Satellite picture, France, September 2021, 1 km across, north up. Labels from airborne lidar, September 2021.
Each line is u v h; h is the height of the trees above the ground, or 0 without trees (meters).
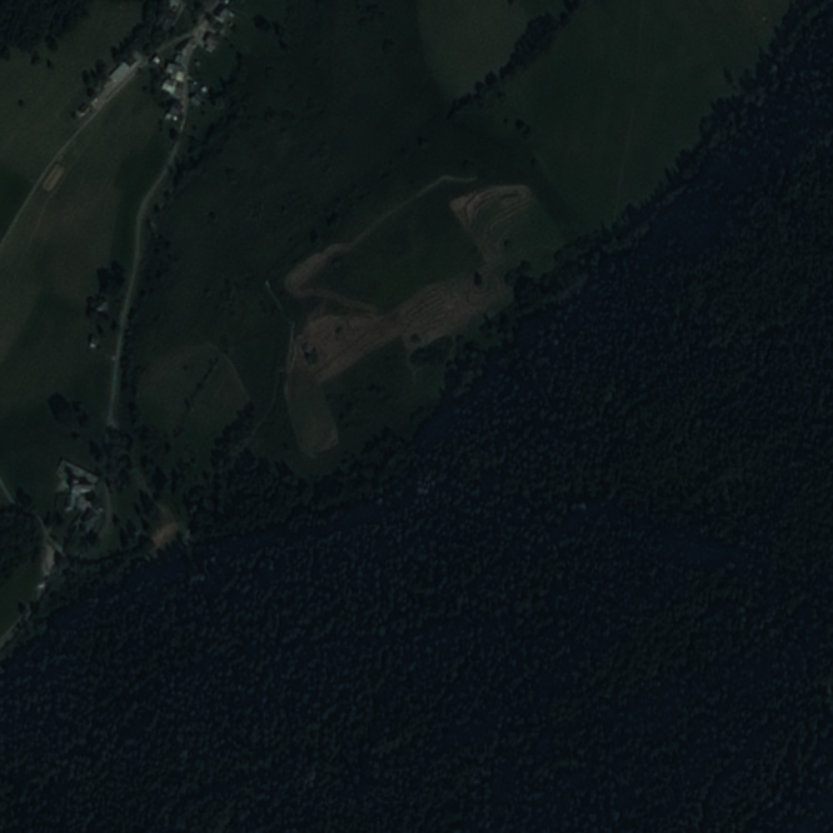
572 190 0
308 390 0
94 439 0
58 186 0
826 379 15
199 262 0
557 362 28
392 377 0
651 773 25
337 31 0
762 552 23
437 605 29
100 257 0
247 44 0
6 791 27
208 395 0
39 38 20
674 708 22
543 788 21
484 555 23
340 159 0
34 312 0
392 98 0
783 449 11
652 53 0
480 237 0
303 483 10
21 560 14
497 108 0
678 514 21
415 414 6
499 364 20
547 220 0
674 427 13
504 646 22
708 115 0
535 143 0
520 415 32
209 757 26
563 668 9
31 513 23
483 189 0
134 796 22
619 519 24
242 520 23
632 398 22
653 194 0
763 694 29
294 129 0
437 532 31
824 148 19
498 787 23
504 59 0
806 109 21
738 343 19
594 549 16
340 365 0
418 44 0
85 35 0
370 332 0
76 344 0
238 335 0
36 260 0
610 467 19
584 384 18
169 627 39
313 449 0
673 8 0
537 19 0
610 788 22
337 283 0
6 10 23
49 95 0
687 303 21
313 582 6
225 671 23
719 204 22
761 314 17
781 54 18
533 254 0
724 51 0
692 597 20
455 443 27
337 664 24
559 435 27
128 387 10
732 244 15
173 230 0
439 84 0
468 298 0
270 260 0
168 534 0
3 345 0
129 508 0
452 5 0
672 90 0
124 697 18
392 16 0
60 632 32
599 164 0
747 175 19
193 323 0
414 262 0
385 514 19
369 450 12
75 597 21
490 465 32
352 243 0
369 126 0
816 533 23
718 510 15
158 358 0
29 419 0
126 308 0
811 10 22
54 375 0
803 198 17
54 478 0
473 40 0
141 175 0
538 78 0
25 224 0
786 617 29
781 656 28
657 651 23
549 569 30
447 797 22
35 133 0
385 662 33
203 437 0
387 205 0
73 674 33
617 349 26
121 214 0
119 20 0
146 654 22
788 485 16
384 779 19
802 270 19
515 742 29
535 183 0
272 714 14
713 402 16
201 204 0
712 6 0
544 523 7
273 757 17
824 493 20
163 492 26
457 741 24
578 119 0
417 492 31
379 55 0
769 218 21
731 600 27
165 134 0
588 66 0
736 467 21
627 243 26
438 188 0
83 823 27
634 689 22
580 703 23
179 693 27
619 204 0
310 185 0
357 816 24
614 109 0
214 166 0
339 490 18
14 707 33
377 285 0
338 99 0
